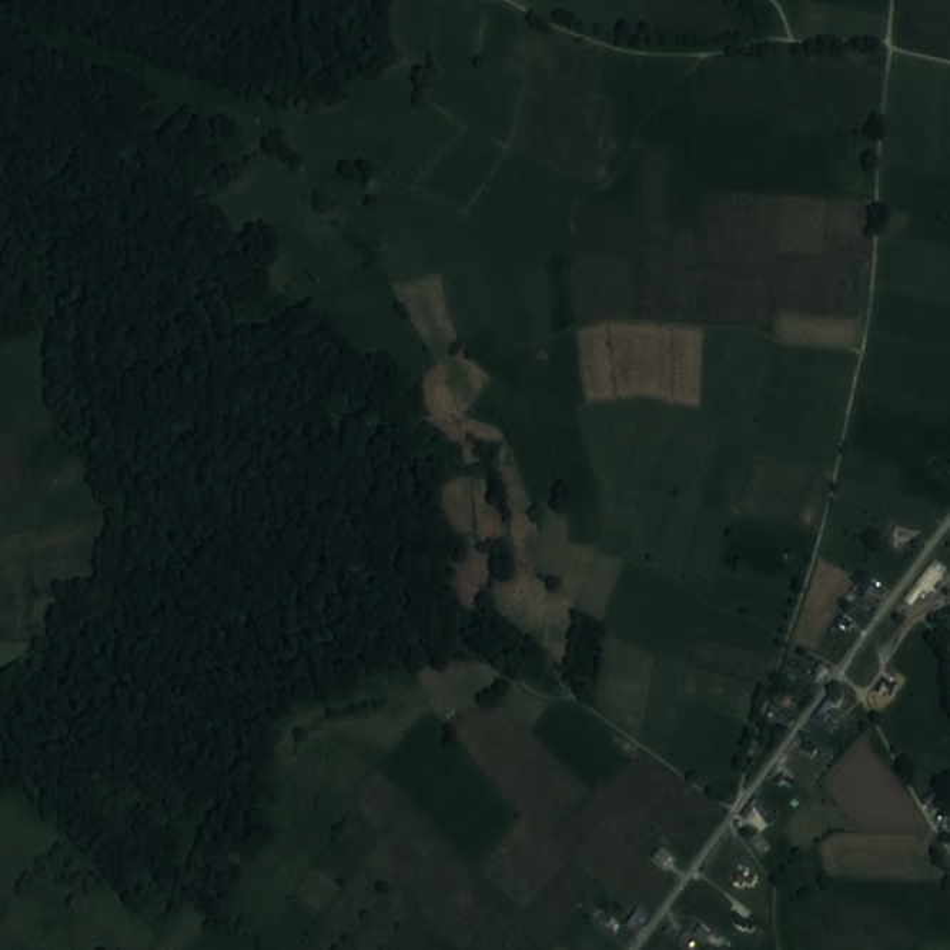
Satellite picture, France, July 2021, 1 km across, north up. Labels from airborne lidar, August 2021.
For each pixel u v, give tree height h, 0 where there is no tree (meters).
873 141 7
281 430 27
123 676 24
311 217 0
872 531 8
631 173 0
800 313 0
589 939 0
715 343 0
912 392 0
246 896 0
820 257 0
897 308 0
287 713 21
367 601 35
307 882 0
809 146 0
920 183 0
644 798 0
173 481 32
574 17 11
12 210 23
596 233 0
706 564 0
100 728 23
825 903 0
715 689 0
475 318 0
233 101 0
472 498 0
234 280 25
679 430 0
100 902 0
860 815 0
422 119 0
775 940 0
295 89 29
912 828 0
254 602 27
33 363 0
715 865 0
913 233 0
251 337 27
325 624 24
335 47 30
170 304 29
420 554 27
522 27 0
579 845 0
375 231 0
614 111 0
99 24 21
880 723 18
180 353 20
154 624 29
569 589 0
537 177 0
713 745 0
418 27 0
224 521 29
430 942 0
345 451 32
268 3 31
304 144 0
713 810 0
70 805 24
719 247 0
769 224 0
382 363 24
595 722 0
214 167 24
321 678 30
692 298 0
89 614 29
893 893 0
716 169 0
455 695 0
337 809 0
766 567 0
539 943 0
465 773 0
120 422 28
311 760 0
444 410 0
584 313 0
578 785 0
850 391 0
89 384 30
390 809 0
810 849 0
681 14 0
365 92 0
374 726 0
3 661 0
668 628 0
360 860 0
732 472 0
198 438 28
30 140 23
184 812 13
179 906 9
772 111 0
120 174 25
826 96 0
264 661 30
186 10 32
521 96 0
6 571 0
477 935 0
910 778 17
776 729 11
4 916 0
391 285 0
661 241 0
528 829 0
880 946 0
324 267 0
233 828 28
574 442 0
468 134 0
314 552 36
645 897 0
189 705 26
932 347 0
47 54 23
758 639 0
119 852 23
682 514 0
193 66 24
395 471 30
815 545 0
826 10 0
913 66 0
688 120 0
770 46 9
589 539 0
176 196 28
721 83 0
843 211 0
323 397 23
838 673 0
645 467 0
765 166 0
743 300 0
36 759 30
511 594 0
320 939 0
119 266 27
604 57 0
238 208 0
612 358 0
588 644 7
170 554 30
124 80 22
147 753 14
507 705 0
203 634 28
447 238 0
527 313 0
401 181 0
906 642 0
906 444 0
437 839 0
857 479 0
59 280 28
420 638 32
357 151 0
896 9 0
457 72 0
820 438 0
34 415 0
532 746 0
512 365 0
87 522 0
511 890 0
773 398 0
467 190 0
